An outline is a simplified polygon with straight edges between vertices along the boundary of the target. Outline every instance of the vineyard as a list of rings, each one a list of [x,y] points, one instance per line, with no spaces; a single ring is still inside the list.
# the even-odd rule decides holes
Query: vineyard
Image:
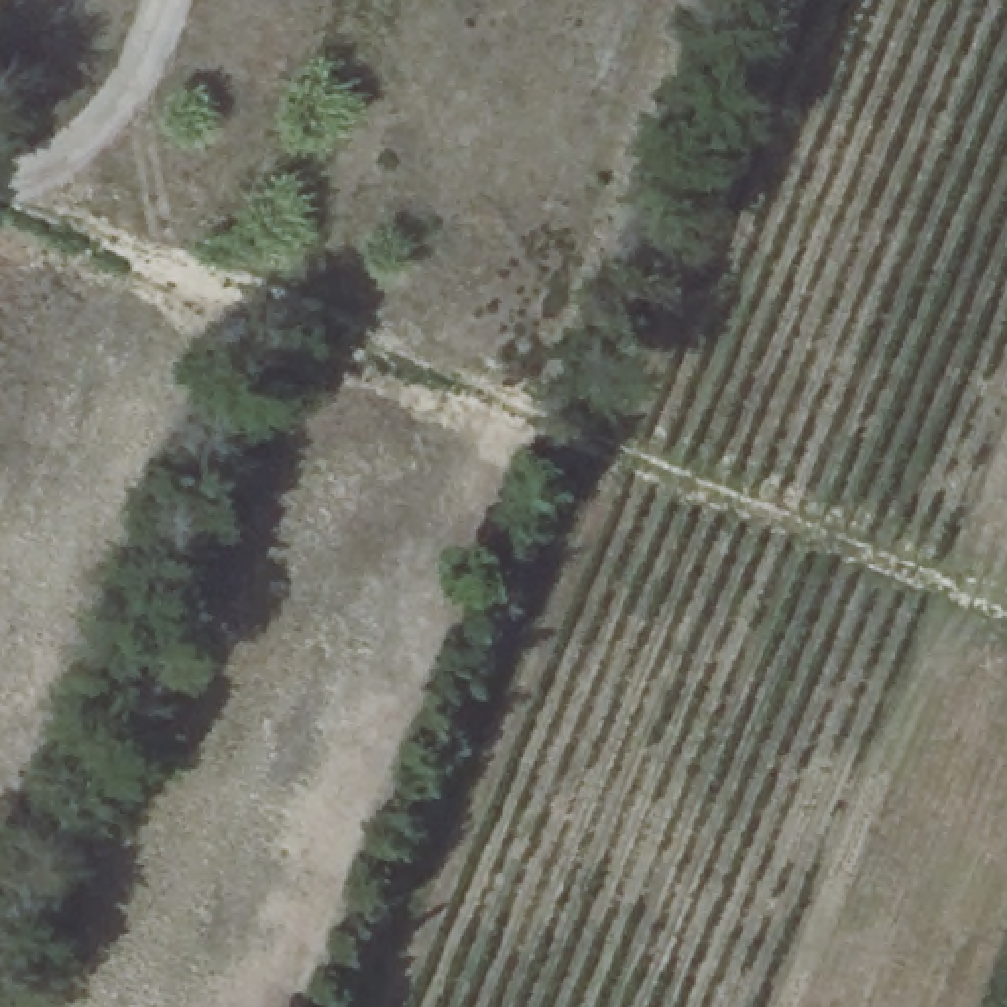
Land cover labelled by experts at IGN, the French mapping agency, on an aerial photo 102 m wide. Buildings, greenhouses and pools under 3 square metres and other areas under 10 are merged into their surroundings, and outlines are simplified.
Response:
[[[464,838],[452,846],[441,873],[413,897],[413,913],[421,920],[421,928],[409,940],[413,1007],[779,1007],[779,979],[787,972],[787,960],[795,952],[795,940],[814,905],[830,858],[826,846],[814,842],[810,865],[775,861],[783,826],[795,810],[810,759],[838,755],[846,747],[854,751],[854,767],[865,767],[877,736],[885,732],[889,712],[897,708],[924,618],[932,610],[932,582],[940,574],[936,566],[913,563],[913,547],[928,543],[936,511],[944,507],[944,492],[936,492],[932,507],[920,507],[920,488],[948,441],[948,429],[972,378],[995,378],[1007,354],[1007,0],[861,0],[838,47],[830,87],[806,114],[779,197],[759,193],[736,220],[724,279],[740,287],[740,303],[732,307],[724,334],[716,338],[716,346],[700,342],[688,354],[641,346],[629,374],[606,389],[598,409],[606,421],[637,413],[637,433],[610,460],[594,500],[570,531],[570,559],[563,563],[559,582],[539,618],[547,641],[531,645],[519,661],[511,712],[504,716],[500,736],[488,751],[488,767],[472,787]]]

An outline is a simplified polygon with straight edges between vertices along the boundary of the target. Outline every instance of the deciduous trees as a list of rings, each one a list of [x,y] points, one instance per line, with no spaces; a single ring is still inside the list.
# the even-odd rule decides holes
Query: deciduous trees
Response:
[[[657,87],[657,114],[641,118],[633,142],[633,181],[618,181],[622,220],[629,224],[629,236],[622,240],[618,264],[602,267],[586,283],[586,307],[574,330],[590,362],[590,382],[602,382],[606,389],[629,374],[641,346],[688,354],[700,342],[716,346],[716,338],[724,334],[732,307],[740,303],[740,287],[724,279],[736,220],[759,193],[779,197],[806,114],[830,87],[838,47],[861,0],[684,0],[673,12],[681,63]]]
[[[118,67],[118,59],[114,51],[94,47],[106,24],[94,12],[83,12],[83,0],[0,0],[0,216],[12,205],[16,161],[47,146],[59,126],[67,126],[94,98],[106,75]]]
[[[291,1007],[413,1007],[409,940],[421,928],[421,920],[413,913],[413,897],[441,873],[452,846],[464,838],[472,787],[488,767],[488,751],[500,736],[504,716],[511,712],[519,661],[531,645],[547,641],[539,618],[559,582],[563,563],[570,559],[570,531],[594,500],[610,460],[637,433],[637,413],[606,421],[598,409],[590,401],[566,401],[559,413],[570,425],[570,441],[555,444],[547,437],[535,437],[531,444],[523,444],[504,472],[496,504],[484,511],[476,543],[448,547],[441,555],[441,590],[452,606],[460,606],[460,622],[444,633],[433,673],[425,681],[421,712],[413,716],[413,728],[397,747],[393,795],[370,814],[362,830],[362,850],[354,854],[346,877],[346,909],[326,940],[326,964],[315,968],[307,991]]]
[[[240,641],[267,633],[271,618],[283,610],[291,594],[291,574],[279,559],[271,559],[271,547],[279,539],[283,492],[299,484],[299,464],[307,452],[307,417],[323,405],[323,397],[295,393],[295,378],[283,366],[275,366],[275,354],[283,346],[279,326],[287,315],[283,283],[303,271],[315,232],[307,220],[311,205],[299,193],[299,181],[291,173],[283,177],[279,165],[244,169],[232,193],[220,201],[220,224],[212,224],[212,236],[189,248],[201,264],[248,271],[252,287],[240,295],[240,303],[224,307],[216,323],[208,323],[189,342],[189,350],[177,362],[177,385],[189,389],[185,417],[169,429],[161,452],[149,456],[138,488],[130,488],[126,496],[126,543],[118,543],[98,566],[83,570],[83,582],[90,582],[102,598],[90,610],[79,610],[75,653],[63,661],[63,673],[47,692],[51,720],[43,724],[43,747],[20,771],[20,791],[0,795],[0,1007],[55,1007],[63,991],[75,991],[87,976],[98,972],[98,964],[126,932],[126,901],[142,881],[138,830],[149,822],[153,799],[173,783],[173,775],[197,767],[201,743],[208,728],[220,720],[232,692],[232,649]]]
[[[208,102],[208,90],[181,90],[169,102],[169,126],[181,130],[181,138],[212,130],[216,110]]]
[[[413,264],[405,236],[397,232],[397,220],[385,220],[370,244],[358,248],[362,267],[374,283],[385,279],[385,271],[401,271],[405,264]]]

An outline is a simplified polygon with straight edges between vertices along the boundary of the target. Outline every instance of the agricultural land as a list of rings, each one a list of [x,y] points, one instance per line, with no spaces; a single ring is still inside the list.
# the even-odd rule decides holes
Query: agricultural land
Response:
[[[629,224],[622,220],[618,181],[633,181],[633,142],[641,118],[657,114],[657,87],[681,63],[673,12],[684,0],[189,0],[181,39],[146,106],[138,106],[126,118],[118,138],[106,142],[87,169],[47,189],[35,205],[28,201],[24,208],[51,224],[71,224],[94,236],[106,252],[126,256],[126,275],[98,271],[90,256],[59,252],[55,244],[43,244],[31,232],[0,228],[0,795],[20,791],[20,771],[43,747],[43,724],[51,720],[47,692],[63,673],[63,661],[75,653],[79,610],[90,610],[102,598],[90,582],[83,582],[83,570],[98,566],[118,543],[126,543],[126,496],[130,488],[138,488],[149,456],[161,452],[169,429],[185,417],[189,389],[177,385],[177,362],[189,350],[189,342],[208,323],[216,323],[224,307],[240,303],[240,295],[252,287],[248,271],[201,264],[189,248],[212,236],[212,224],[220,224],[220,201],[232,193],[244,169],[279,165],[283,177],[291,173],[299,181],[299,193],[311,205],[307,220],[315,232],[303,271],[283,283],[287,315],[279,326],[283,346],[275,354],[275,366],[283,366],[295,378],[295,393],[323,397],[323,405],[307,417],[307,452],[299,464],[299,484],[283,492],[279,539],[271,547],[271,559],[279,559],[291,574],[291,594],[283,610],[271,618],[267,633],[240,641],[232,649],[232,692],[220,720],[208,728],[201,743],[197,767],[173,775],[173,783],[153,799],[149,822],[138,830],[142,881],[126,901],[126,932],[98,964],[98,972],[87,976],[75,991],[63,991],[55,1007],[291,1007],[307,991],[315,968],[326,964],[326,940],[346,909],[346,877],[354,854],[362,850],[362,830],[370,814],[393,795],[397,747],[413,728],[413,716],[421,712],[425,681],[433,673],[444,633],[460,622],[460,606],[452,606],[441,590],[441,555],[448,547],[476,543],[484,511],[496,504],[504,472],[523,444],[531,444],[535,437],[547,437],[555,444],[570,441],[570,425],[559,413],[543,413],[523,393],[523,385],[504,385],[500,354],[507,342],[500,326],[515,319],[515,291],[539,279],[531,256],[523,252],[523,236],[531,228],[551,224],[570,228],[582,264],[570,271],[566,307],[539,330],[539,338],[559,342],[566,330],[574,330],[586,307],[586,283],[602,267],[618,264],[622,240],[629,236]],[[169,102],[181,90],[208,90],[208,102],[216,110],[212,130],[181,138],[181,130],[169,126]],[[385,279],[374,283],[362,267],[358,248],[370,244],[385,220],[397,220],[397,232],[405,236],[413,264],[405,264],[401,271],[385,271]]]

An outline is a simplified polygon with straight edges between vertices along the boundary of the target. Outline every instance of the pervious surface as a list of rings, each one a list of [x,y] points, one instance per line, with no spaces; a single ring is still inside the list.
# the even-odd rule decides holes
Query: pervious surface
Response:
[[[67,126],[59,126],[47,146],[16,161],[12,205],[24,208],[28,201],[35,205],[47,189],[87,169],[106,142],[118,138],[126,118],[138,106],[146,106],[181,39],[189,0],[142,0],[126,51],[118,59],[118,67],[106,75],[94,98]]]

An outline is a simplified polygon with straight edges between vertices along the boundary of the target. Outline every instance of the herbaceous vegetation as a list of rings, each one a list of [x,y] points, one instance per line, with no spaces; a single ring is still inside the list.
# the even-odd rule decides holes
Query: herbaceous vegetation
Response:
[[[142,0],[83,0],[83,12],[94,12],[106,24],[94,47],[114,51],[118,59],[126,51]]]
[[[995,378],[972,378],[948,429],[948,441],[920,488],[920,507],[932,507],[936,492],[944,492],[944,507],[936,511],[928,543],[913,547],[913,563],[936,566],[940,574],[932,582],[932,610],[924,618],[897,708],[889,712],[885,732],[877,736],[865,767],[854,767],[854,751],[846,747],[838,755],[810,759],[795,810],[783,826],[775,861],[810,865],[814,842],[826,846],[830,858],[814,905],[795,940],[795,952],[787,960],[787,972],[779,979],[779,1007],[979,1007],[1007,936],[1007,354]]]

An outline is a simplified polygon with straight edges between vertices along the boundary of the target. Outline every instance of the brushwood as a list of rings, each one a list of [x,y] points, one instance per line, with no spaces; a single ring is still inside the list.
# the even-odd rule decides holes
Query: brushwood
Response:
[[[979,1007],[1007,1007],[1007,936]]]
[[[0,216],[0,228],[31,232],[43,244],[55,244],[59,252],[90,256],[98,271],[126,275],[126,256],[106,252],[94,236],[71,224],[51,224],[24,208],[12,205]]]
[[[582,264],[570,228],[551,224],[531,228],[523,236],[523,252],[531,256],[539,279],[515,291],[515,319],[500,326],[507,342],[500,354],[504,385],[523,385],[523,393],[543,413],[559,413],[566,401],[590,401],[598,409],[606,389],[602,382],[590,382],[590,362],[574,330],[566,330],[559,342],[539,338],[539,330],[566,307],[570,271]]]

